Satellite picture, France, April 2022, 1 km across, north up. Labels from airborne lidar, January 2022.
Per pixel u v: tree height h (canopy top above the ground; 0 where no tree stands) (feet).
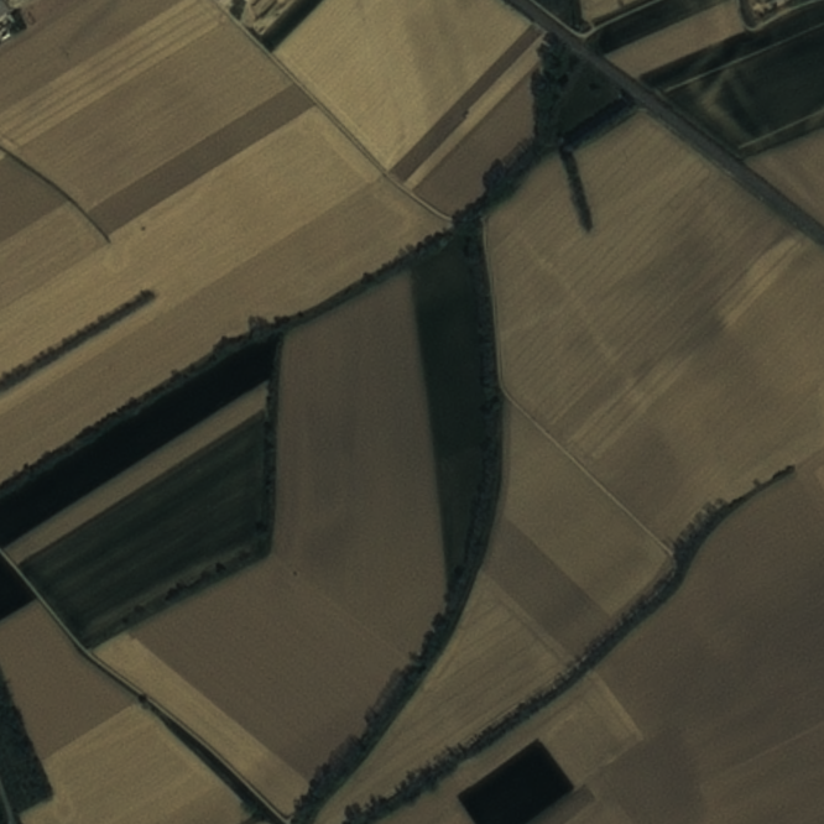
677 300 0
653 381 0
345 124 0
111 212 0
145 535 0
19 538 0
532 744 0
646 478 0
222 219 0
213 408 0
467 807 0
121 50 0
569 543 0
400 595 0
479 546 60
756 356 0
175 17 0
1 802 0
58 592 0
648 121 0
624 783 0
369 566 0
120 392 0
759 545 0
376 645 0
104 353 0
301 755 0
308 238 0
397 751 0
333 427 0
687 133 0
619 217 0
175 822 0
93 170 0
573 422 0
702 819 0
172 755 0
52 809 0
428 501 0
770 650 0
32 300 0
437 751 0
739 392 0
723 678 0
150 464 0
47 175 0
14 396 0
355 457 0
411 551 0
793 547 0
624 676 0
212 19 0
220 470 0
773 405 0
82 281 0
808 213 0
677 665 0
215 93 0
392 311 0
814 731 0
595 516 0
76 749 0
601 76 0
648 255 0
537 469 0
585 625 0
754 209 0
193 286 0
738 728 0
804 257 0
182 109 0
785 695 0
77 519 0
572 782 0
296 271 0
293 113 0
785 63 0
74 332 0
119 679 0
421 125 0
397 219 0
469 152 0
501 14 0
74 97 0
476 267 53
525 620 0
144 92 0
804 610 0
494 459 54
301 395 0
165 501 0
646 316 0
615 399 0
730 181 0
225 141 0
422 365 0
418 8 0
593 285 0
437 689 0
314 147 0
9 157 0
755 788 0
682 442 0
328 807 0
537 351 0
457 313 0
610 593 0
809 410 0
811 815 0
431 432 0
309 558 0
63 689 0
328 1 0
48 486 0
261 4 0
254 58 0
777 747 0
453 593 51
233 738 0
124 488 0
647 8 0
